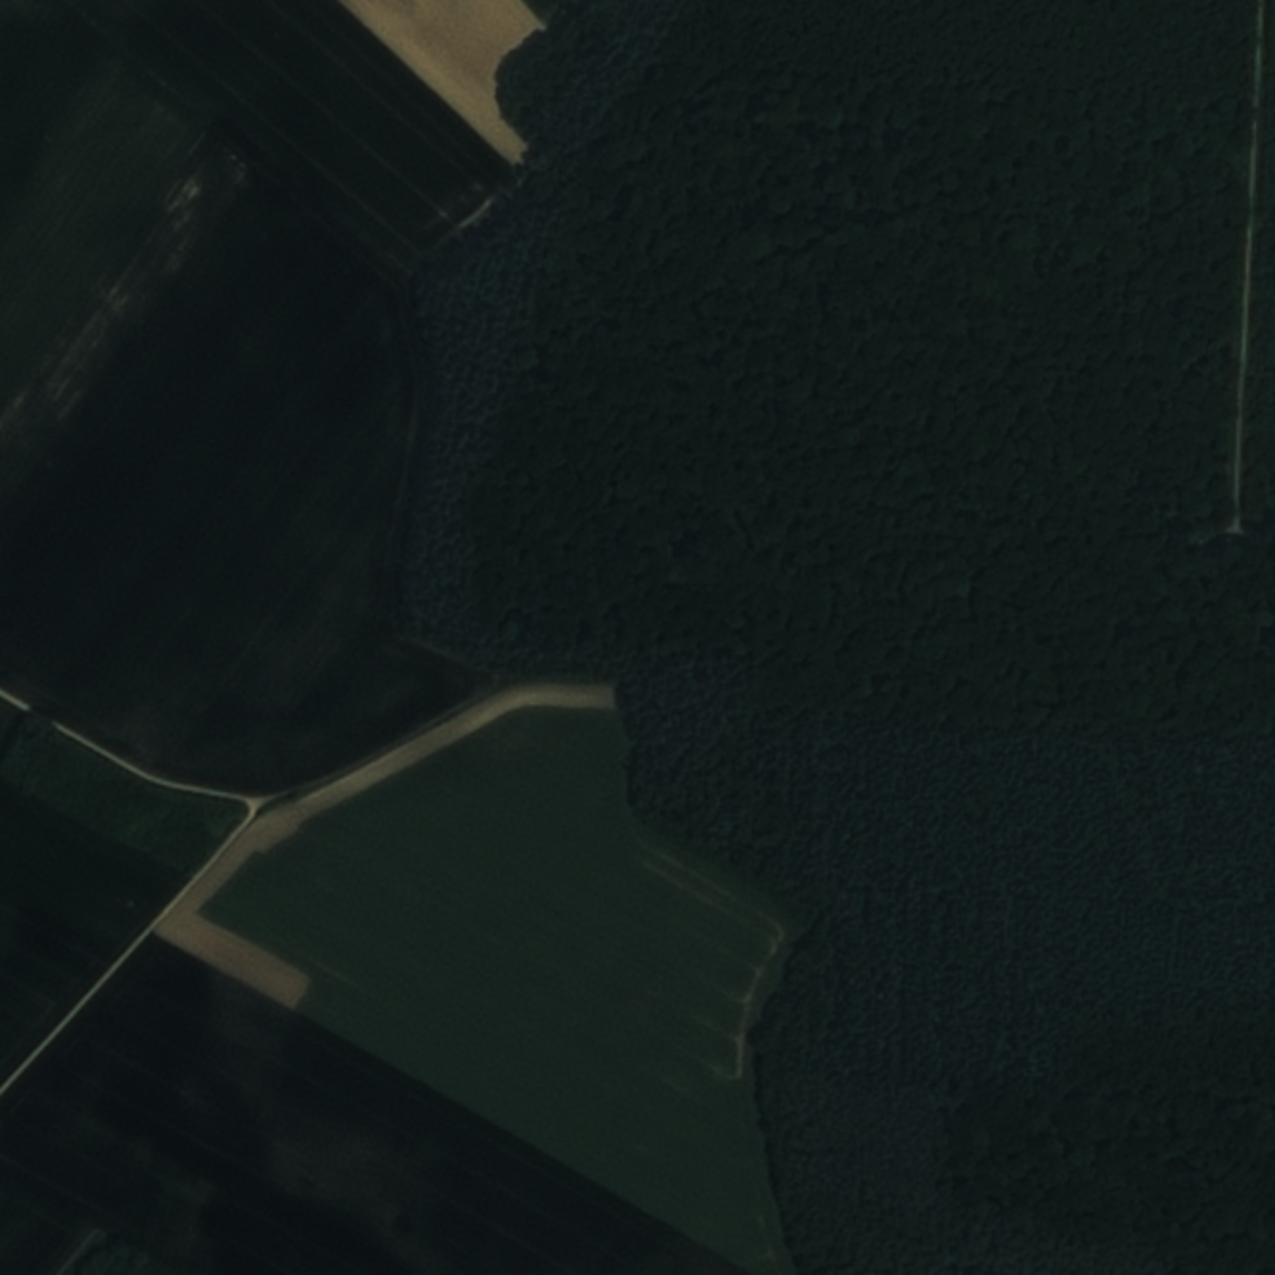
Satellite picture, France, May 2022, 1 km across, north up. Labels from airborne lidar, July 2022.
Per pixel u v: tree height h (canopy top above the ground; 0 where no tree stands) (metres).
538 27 0
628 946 0
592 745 0
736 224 29
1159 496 28
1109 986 20
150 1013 0
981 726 21
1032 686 24
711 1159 0
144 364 0
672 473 30
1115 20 18
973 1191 27
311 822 0
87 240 0
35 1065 0
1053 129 23
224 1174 0
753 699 25
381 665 0
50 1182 0
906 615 28
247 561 0
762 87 22
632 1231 0
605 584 29
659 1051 0
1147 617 28
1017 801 23
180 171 0
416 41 0
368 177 0
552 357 28
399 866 0
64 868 0
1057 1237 23
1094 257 22
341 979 0
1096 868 25
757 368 27
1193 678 25
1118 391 26
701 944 0
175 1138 0
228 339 0
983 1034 20
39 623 0
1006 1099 30
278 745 0
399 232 0
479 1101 0
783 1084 24
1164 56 19
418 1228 0
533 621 33
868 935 23
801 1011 20
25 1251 0
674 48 21
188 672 0
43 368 0
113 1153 0
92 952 0
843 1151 23
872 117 29
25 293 0
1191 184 20
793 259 33
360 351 0
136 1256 12
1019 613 23
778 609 28
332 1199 0
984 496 25
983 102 18
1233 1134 29
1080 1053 19
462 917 0
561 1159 0
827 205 28
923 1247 24
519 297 35
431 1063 0
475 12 0
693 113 30
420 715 0
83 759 9
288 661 0
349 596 0
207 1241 0
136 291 0
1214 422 22
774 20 21
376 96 0
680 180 25
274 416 0
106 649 0
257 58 0
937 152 30
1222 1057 21
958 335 29
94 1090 0
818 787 18
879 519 25
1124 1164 26
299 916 0
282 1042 0
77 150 0
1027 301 29
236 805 7
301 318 0
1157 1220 23
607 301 25
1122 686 24
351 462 0
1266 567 24
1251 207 14
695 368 27
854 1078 22
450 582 28
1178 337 26
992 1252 20
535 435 28
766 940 0
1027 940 24
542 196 21
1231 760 13
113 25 0
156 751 0
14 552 0
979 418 27
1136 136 25
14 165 0
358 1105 0
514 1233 0
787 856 15
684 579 26
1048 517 26
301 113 0
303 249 0
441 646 28
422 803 0
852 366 31
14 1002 0
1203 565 30
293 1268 0
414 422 0
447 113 0
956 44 20
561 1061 0
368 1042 0
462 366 32
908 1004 23
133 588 0
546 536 30
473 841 0
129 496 0
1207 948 20
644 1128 0
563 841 0
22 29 0
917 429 25
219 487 0
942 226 28
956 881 22
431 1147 0
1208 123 23
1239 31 18
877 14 20
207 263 0
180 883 0
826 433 29
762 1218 0
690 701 34
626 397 29
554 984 0
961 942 20
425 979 0
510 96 21
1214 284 22
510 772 0
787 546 26
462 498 29
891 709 21
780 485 25
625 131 27
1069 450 25
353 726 0
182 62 0
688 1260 0
